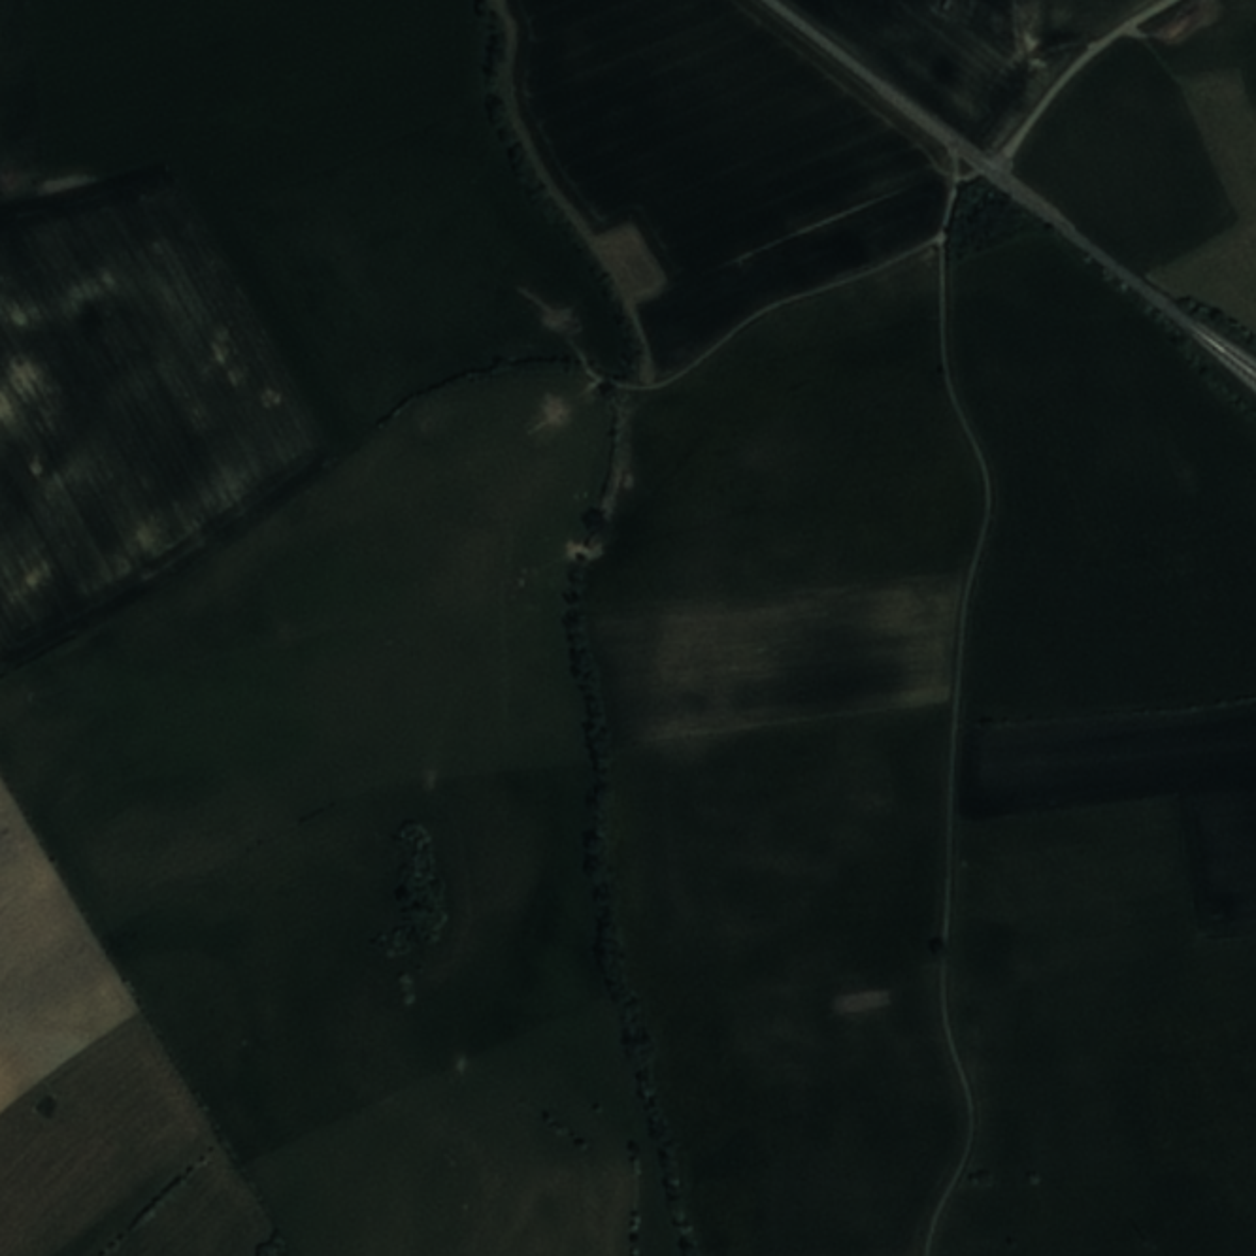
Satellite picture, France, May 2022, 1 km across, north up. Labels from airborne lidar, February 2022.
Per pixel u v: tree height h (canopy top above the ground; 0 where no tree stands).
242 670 0
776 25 0
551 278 0
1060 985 0
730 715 0
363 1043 0
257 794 0
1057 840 0
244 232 0
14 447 0
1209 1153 0
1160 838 0
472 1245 0
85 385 0
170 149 0
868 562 0
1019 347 0
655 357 0
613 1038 0
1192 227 0
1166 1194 0
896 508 0
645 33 0
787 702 0
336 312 0
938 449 0
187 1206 0
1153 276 0
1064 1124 0
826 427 0
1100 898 0
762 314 0
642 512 0
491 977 0
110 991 0
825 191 0
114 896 0
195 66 0
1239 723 0
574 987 0
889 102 0
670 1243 0
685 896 0
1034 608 0
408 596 0
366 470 0
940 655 0
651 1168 0
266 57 0
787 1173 0
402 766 0
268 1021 0
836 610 0
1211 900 0
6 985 0
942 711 0
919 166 0
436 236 0
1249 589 0
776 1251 0
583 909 0
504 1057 0
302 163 0
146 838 0
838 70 0
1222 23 0
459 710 0
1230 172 0
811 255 0
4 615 0
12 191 0
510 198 0
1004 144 0
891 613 0
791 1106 0
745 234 0
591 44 0
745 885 0
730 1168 0
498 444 0
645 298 0
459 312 0
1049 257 0
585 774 0
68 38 0
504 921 0
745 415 0
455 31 0
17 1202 0
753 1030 0
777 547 0
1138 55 0
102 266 0
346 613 0
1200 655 0
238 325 0
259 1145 0
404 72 0
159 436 0
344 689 0
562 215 13
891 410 0
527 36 0
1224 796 0
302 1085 0
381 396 0
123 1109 0
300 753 0
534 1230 0
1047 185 0
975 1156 0
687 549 0
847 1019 0
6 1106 0
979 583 0
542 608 0
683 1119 0
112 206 0
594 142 0
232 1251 0
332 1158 0
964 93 0
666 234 0
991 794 0
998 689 0
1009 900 0
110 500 0
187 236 0
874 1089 0
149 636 0
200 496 0
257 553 0
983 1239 0
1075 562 0
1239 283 0
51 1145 0
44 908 0
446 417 0
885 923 0
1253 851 0
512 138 13
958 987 0
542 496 0
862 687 0
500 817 0
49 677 0
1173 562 0
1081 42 0
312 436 0
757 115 0
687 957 0
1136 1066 0
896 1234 0
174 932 0
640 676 0
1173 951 0
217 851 0
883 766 0
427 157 0
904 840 0
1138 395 0
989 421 0
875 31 0
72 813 0
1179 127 0
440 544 0
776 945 0
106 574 0
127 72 0
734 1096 0
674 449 0
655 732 0
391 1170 0
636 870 0
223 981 0
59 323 0
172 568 0
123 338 0
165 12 0
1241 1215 0
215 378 0
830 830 0
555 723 0
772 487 0
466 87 0
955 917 0
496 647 0
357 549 0
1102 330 0
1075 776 0
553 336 0
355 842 0
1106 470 0
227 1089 0
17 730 0
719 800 0
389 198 0
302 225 0
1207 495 0
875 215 0
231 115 0
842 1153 0
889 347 0
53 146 0
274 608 0
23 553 0
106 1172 0
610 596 0
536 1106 0
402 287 0
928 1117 0
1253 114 0
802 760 0
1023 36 0
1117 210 0
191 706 0
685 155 0
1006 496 0
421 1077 0
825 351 0
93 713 0
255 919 0
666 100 0
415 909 12
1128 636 0
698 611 0
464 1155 0
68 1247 0
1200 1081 0
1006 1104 0
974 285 0
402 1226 0
